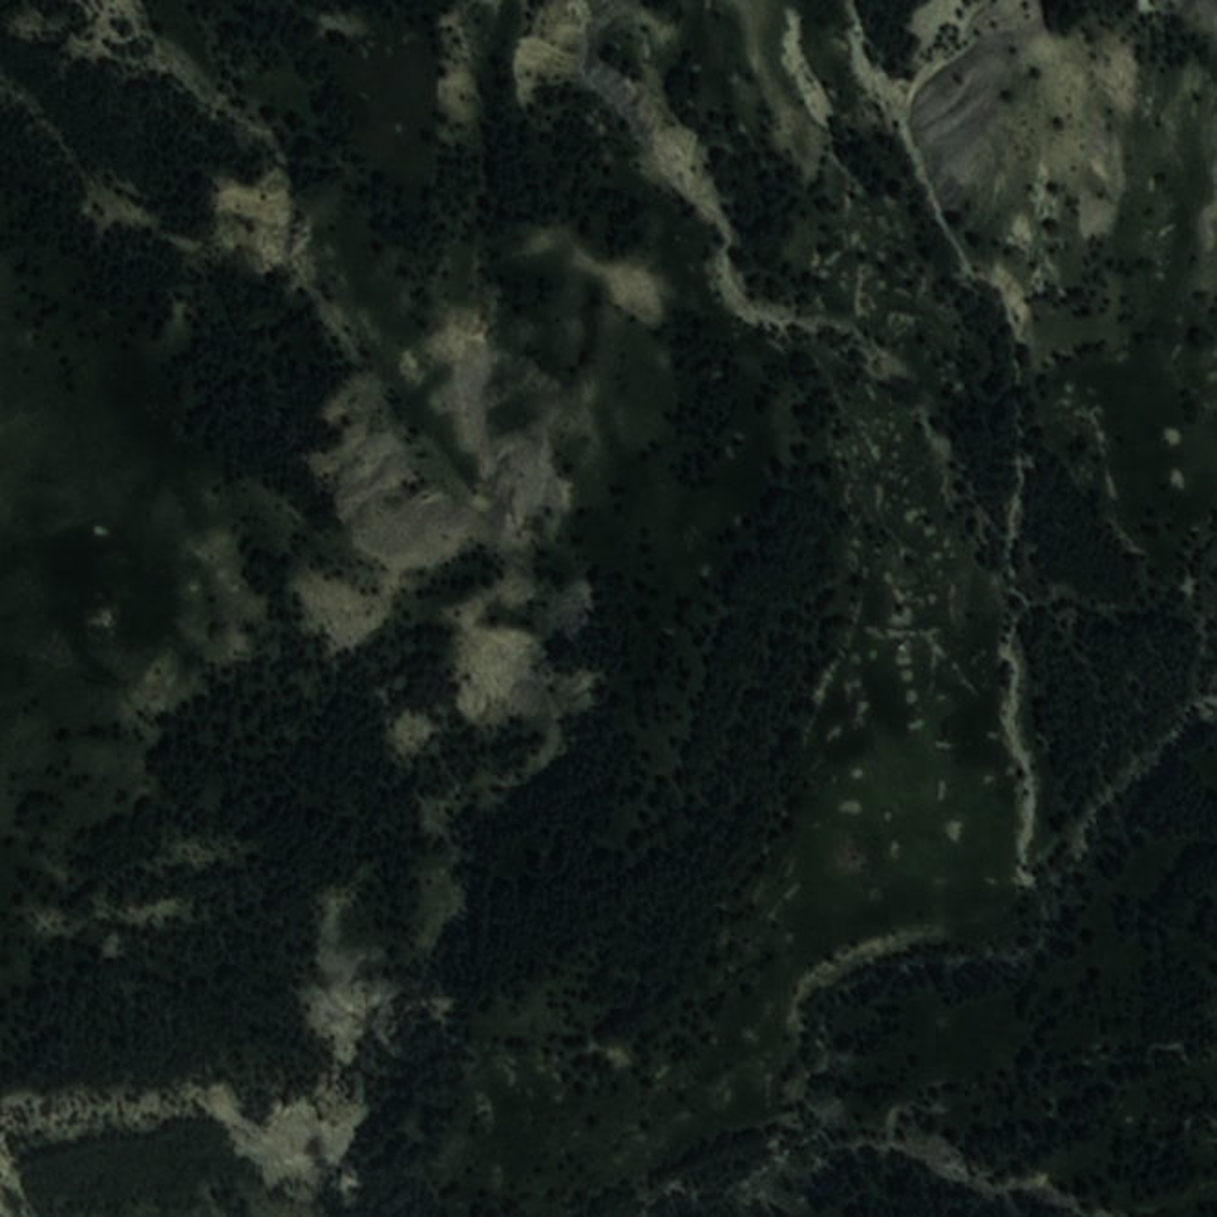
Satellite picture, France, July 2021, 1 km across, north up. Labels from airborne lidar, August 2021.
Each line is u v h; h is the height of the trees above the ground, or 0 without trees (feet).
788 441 0
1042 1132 77
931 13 0
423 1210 33
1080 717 53
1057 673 53
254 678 24
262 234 0
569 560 0
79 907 41
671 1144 0
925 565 0
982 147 0
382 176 62
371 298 0
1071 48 0
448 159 60
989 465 21
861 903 0
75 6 46
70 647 0
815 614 62
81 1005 48
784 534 103
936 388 0
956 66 0
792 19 0
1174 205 0
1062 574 76
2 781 0
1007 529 40
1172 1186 38
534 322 0
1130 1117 0
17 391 0
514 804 26
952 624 0
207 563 0
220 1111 0
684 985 69
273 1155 0
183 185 46
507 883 78
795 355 21
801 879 0
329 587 0
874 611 0
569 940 64
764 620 87
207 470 0
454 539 0
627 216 45
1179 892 85
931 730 0
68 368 27
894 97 0
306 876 33
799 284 40
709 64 0
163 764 58
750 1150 65
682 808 66
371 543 0
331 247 0
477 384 0
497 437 0
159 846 30
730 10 0
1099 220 0
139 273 49
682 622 57
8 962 51
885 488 0
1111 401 0
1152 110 0
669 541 0
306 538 26
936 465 0
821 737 0
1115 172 0
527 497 0
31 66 70
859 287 0
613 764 42
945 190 0
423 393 0
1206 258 0
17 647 0
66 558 0
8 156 37
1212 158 0
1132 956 0
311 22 74
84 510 0
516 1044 49
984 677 0
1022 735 0
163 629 0
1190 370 0
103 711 0
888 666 0
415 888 59
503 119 52
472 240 30
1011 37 0
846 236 0
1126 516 0
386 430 0
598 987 57
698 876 97
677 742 43
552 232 0
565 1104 0
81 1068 57
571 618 0
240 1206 32
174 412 0
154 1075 40
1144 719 50
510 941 94
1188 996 38
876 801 0
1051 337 0
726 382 56
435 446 0
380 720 28
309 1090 22
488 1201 32
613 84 0
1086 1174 0
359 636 0
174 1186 49
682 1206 34
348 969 0
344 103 58
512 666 0
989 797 0
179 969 45
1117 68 0
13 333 0
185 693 0
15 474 0
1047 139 0
